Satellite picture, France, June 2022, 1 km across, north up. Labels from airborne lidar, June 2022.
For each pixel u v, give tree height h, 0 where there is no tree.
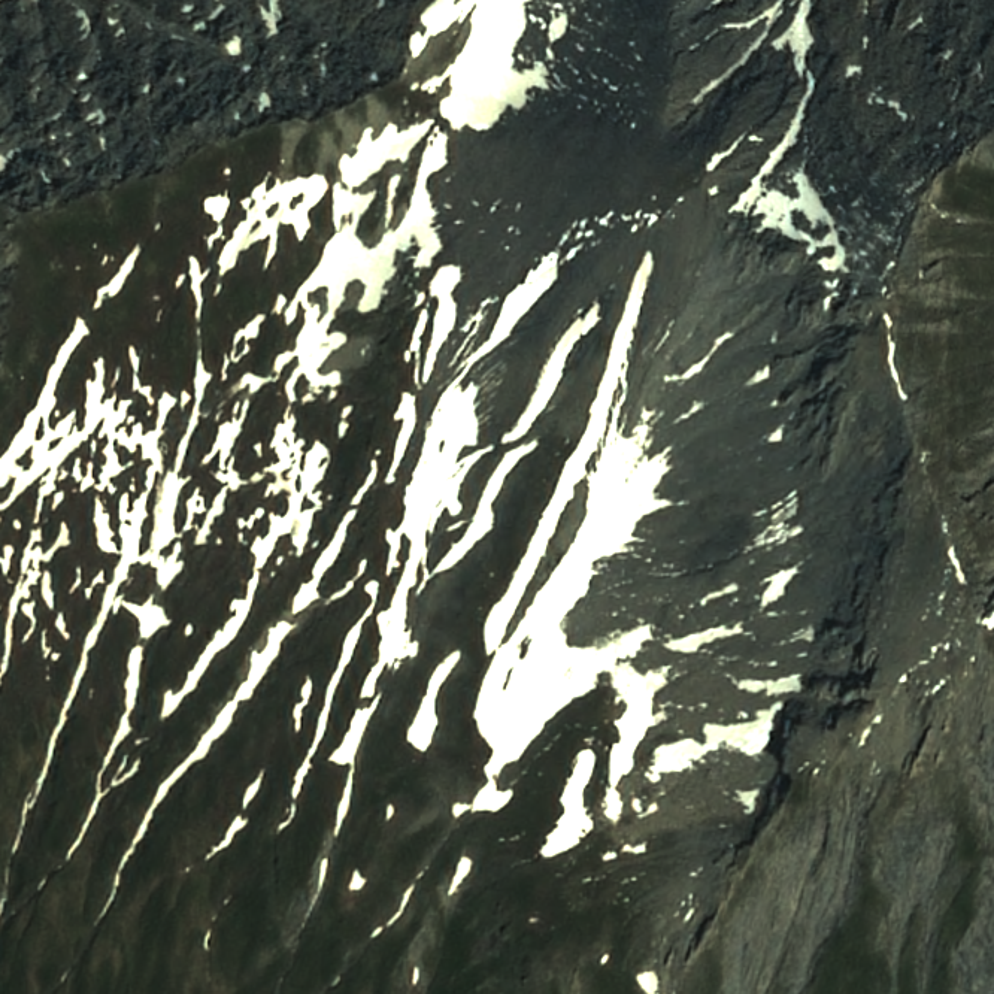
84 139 0
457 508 0
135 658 0
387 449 0
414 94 0
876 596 0
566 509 0
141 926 0
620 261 0
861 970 0
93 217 0
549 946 0
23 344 0
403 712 0
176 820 0
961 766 0
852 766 0
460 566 0
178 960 0
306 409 0
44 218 0
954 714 0
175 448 0
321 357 0
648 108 0
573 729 0
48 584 0
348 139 0
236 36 0
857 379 0
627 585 0
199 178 0
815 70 0
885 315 0
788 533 0
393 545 0
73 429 0
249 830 0
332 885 0
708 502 0
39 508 0
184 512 0
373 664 0
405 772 0
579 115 0
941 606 0
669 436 0
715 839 0
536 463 0
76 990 0
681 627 0
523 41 0
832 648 0
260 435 0
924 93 0
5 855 0
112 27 0
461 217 0
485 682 0
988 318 0
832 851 0
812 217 0
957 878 0
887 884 0
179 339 0
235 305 0
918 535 0
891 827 0
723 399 0
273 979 0
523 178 0
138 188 0
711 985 0
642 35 0
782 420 0
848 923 0
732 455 0
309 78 0
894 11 5
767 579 0
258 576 0
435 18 0
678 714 0
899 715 0
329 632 0
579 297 0
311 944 0
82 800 0
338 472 0
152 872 0
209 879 0
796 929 0
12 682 0
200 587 0
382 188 0
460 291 0
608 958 0
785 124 0
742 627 0
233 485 0
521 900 0
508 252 0
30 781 0
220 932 0
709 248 0
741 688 0
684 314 0
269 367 0
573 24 0
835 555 0
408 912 0
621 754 0
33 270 0
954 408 0
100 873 0
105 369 0
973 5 0
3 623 0
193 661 0
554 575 0
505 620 0
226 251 0
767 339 0
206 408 0
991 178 0
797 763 0
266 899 0
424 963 0
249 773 0
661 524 0
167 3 0
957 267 0
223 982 0
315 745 0
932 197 0
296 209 0
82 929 0
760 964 0
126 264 0
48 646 0
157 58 0
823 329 0
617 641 0
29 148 0
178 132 0
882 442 0
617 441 0
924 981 0
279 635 0
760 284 0
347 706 0
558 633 0
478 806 0
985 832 0
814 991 0
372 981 0
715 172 0
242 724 0
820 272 0
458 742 0
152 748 0
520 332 0
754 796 0
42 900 0
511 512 0
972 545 0
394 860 0
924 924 0
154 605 0
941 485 0
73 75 0
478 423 0
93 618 0
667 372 0
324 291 0
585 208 0
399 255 0
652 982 0
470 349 0
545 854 0
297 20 0
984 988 0
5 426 0
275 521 0
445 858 0
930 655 0
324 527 0
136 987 0
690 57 0
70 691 0
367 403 0
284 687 0
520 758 0
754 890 0
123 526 0
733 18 0
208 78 0
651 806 0
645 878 0
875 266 0
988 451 0
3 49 0
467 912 0
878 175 0
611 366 0
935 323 0
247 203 0
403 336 0
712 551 0
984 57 0
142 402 0
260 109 0
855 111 0
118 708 0
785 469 0
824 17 0
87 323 0
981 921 0
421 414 0
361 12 0
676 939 0
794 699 0
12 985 0
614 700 0
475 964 0
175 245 0
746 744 0
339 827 0
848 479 0
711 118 0
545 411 0
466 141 0
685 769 0
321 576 0
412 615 0
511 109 0
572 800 0
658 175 0
